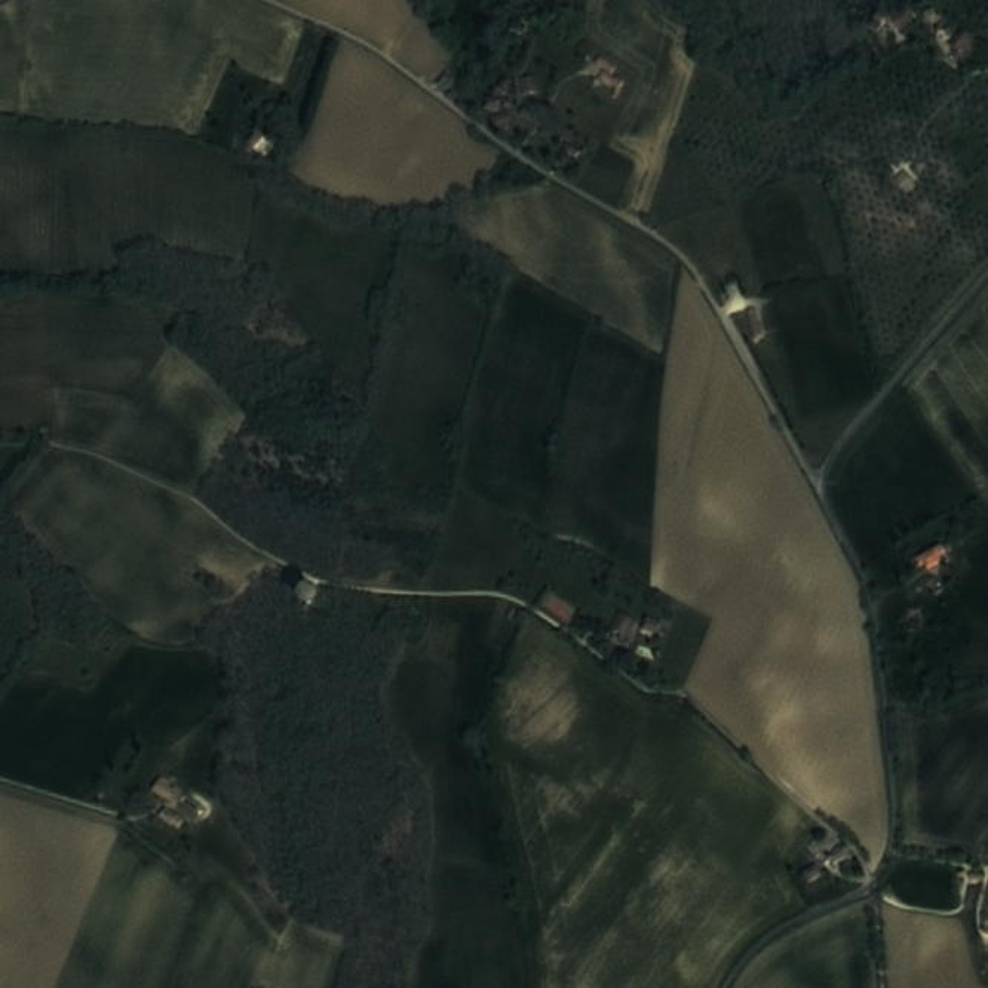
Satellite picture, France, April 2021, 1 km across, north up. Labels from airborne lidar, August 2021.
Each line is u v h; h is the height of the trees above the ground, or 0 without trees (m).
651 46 0
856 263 6
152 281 17
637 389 0
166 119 0
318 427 7
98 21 0
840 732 0
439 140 0
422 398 0
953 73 9
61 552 0
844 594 0
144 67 0
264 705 17
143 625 0
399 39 0
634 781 0
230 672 21
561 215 0
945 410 0
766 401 0
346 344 0
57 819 0
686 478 0
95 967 0
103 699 0
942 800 0
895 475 0
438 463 0
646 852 0
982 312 0
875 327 9
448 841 0
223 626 17
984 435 0
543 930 0
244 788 21
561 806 0
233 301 15
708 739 0
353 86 0
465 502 0
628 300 0
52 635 12
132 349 0
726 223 0
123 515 0
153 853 0
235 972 0
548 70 9
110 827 0
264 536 14
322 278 0
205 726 0
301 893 13
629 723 0
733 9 16
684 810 0
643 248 0
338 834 15
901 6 10
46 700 0
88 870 0
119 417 0
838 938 0
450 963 0
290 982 0
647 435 0
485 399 0
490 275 14
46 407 0
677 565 0
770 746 0
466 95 13
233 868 0
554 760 0
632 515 0
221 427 0
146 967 0
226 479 11
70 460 0
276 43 0
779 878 0
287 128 19
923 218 7
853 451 0
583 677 0
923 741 0
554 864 0
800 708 0
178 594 0
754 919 0
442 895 0
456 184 0
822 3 18
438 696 0
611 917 0
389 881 10
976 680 6
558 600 0
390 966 13
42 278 8
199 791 0
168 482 0
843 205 8
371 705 19
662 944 0
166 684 0
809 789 0
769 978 0
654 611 0
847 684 0
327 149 0
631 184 0
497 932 0
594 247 0
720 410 0
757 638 0
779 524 0
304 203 17
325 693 16
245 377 16
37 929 0
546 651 0
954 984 0
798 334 0
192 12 0
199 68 0
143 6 0
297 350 6
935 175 7
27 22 0
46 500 0
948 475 0
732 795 0
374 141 0
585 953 0
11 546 21
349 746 18
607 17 0
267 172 20
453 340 0
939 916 0
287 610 20
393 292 14
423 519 0
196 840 0
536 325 0
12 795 0
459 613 0
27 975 0
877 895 14
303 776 18
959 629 0
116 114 0
